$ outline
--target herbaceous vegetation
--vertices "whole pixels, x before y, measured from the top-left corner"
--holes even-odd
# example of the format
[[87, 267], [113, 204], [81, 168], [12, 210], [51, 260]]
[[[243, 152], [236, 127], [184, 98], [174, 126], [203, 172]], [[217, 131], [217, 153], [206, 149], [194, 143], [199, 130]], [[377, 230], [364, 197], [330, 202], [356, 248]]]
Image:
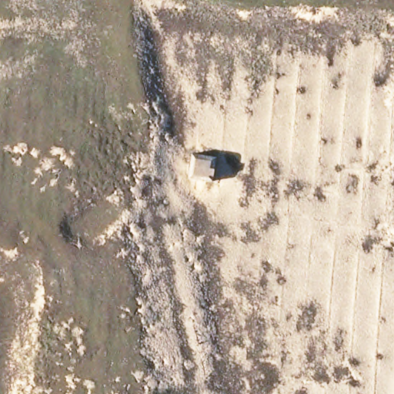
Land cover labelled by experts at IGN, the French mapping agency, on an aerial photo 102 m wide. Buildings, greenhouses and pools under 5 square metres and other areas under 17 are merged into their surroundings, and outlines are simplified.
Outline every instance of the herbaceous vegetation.
[[[62, 40], [45, 34], [42, 42], [34, 43], [29, 43], [26, 38], [6, 35], [0, 45], [0, 62], [8, 58], [11, 58], [11, 62], [17, 62], [34, 55], [37, 68], [37, 74], [23, 75], [22, 78], [3, 78], [0, 83], [0, 246], [17, 249], [17, 252], [22, 254], [35, 255], [38, 260], [42, 265], [43, 275], [49, 275], [51, 279], [57, 280], [58, 297], [62, 300], [60, 305], [65, 305], [63, 308], [66, 316], [83, 331], [85, 352], [74, 354], [74, 377], [91, 380], [94, 383], [94, 394], [139, 394], [145, 391], [145, 386], [137, 382], [134, 372], [145, 369], [140, 356], [145, 340], [137, 339], [139, 331], [129, 326], [128, 317], [120, 319], [120, 306], [129, 305], [129, 299], [134, 291], [126, 272], [125, 260], [123, 257], [117, 257], [117, 252], [123, 249], [123, 240], [109, 239], [103, 245], [97, 245], [92, 243], [92, 240], [119, 219], [123, 211], [129, 211], [134, 206], [131, 188], [135, 185], [135, 174], [131, 154], [146, 154], [151, 143], [149, 123], [146, 123], [140, 139], [135, 139], [131, 120], [115, 120], [108, 112], [108, 106], [115, 106], [119, 112], [126, 112], [128, 103], [148, 103], [140, 83], [139, 63], [129, 32], [129, 9], [134, 6], [134, 0], [85, 0], [85, 12], [78, 17], [86, 18], [88, 22], [98, 26], [100, 31], [97, 32], [97, 37], [102, 42], [102, 45], [91, 42], [91, 45], [83, 46], [82, 55], [86, 58], [86, 66], [78, 66], [74, 55], [66, 54], [65, 46], [72, 42], [66, 32]], [[52, 165], [58, 171], [54, 172], [52, 179], [57, 180], [57, 185], [42, 192], [40, 188], [43, 183], [31, 183], [35, 168], [38, 168], [34, 157], [25, 154], [22, 165], [15, 166], [12, 163], [14, 152], [5, 151], [5, 145], [15, 146], [18, 143], [25, 143], [28, 148], [37, 149], [45, 159], [52, 148], [62, 148], [65, 152], [75, 151], [72, 166], [66, 166], [60, 159], [55, 160]]]
[[17, 329], [15, 319], [22, 316], [25, 311], [25, 305], [14, 305], [12, 292], [0, 283], [0, 394], [9, 394], [3, 385], [2, 376], [3, 371], [8, 368], [6, 362], [9, 362], [9, 349]]
[[0, 0], [0, 20], [15, 20], [11, 0]]
[[394, 0], [222, 0], [228, 2], [232, 8], [242, 11], [265, 6], [326, 6], [346, 8], [349, 12], [356, 9], [385, 9], [394, 17]]

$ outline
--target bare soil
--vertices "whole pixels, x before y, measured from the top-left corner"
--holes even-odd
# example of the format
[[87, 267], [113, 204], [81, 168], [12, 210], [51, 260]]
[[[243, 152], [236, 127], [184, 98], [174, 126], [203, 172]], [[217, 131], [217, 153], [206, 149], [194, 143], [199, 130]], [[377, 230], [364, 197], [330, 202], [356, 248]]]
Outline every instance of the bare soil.
[[246, 357], [251, 360], [251, 369], [248, 371], [237, 362], [212, 360], [212, 371], [205, 382], [206, 388], [215, 394], [271, 394], [274, 386], [279, 385], [279, 372], [274, 365], [268, 363], [269, 354], [262, 352], [268, 346], [266, 340], [255, 340], [254, 348], [249, 348], [246, 352]]
[[11, 62], [11, 58], [8, 58], [0, 62], [0, 83], [3, 78], [22, 78], [23, 75], [37, 74], [37, 68], [34, 55], [17, 62]]
[[131, 154], [135, 174], [135, 185], [131, 188], [134, 206], [129, 211], [123, 211], [119, 219], [92, 240], [92, 243], [97, 245], [103, 245], [109, 239], [123, 240], [123, 249], [117, 252], [117, 257], [123, 257], [125, 260], [126, 272], [134, 291], [129, 299], [129, 305], [120, 306], [120, 319], [128, 317], [129, 326], [139, 331], [137, 339], [145, 340], [140, 356], [145, 369], [134, 372], [137, 382], [145, 386], [145, 391], [139, 394], [197, 394], [194, 376], [197, 362], [192, 356], [192, 349], [189, 348], [188, 334], [182, 320], [183, 303], [175, 291], [174, 263], [166, 249], [163, 234], [163, 226], [175, 225], [175, 215], [166, 197], [162, 179], [155, 179], [157, 166], [154, 159], [155, 149], [159, 146], [160, 128], [159, 122], [151, 117], [148, 103], [128, 103], [126, 112], [119, 112], [115, 106], [108, 106], [108, 112], [115, 120], [131, 120], [135, 139], [140, 139], [146, 123], [149, 123], [151, 143], [146, 154]]
[[88, 22], [86, 18], [78, 17], [85, 12], [85, 0], [11, 0], [15, 20], [0, 20], [0, 45], [6, 35], [26, 38], [29, 43], [34, 43], [42, 42], [45, 34], [62, 40], [66, 32], [72, 42], [65, 46], [66, 54], [74, 55], [78, 66], [86, 66], [86, 58], [82, 55], [83, 46], [91, 45], [91, 42], [102, 45], [102, 42], [97, 37], [97, 32], [100, 31], [98, 26]]
[[43, 183], [40, 188], [42, 192], [57, 185], [57, 180], [52, 179], [54, 172], [58, 171], [52, 165], [55, 160], [60, 159], [66, 166], [72, 166], [75, 151], [65, 152], [62, 148], [52, 148], [45, 159], [37, 149], [28, 148], [25, 143], [18, 143], [15, 146], [5, 145], [5, 151], [14, 152], [12, 163], [15, 166], [22, 165], [25, 154], [34, 157], [38, 168], [35, 168], [31, 183]]
[[85, 352], [83, 331], [66, 316], [63, 308], [65, 305], [60, 305], [62, 300], [58, 297], [57, 280], [51, 279], [49, 275], [43, 275], [45, 305], [38, 322], [37, 340], [40, 348], [35, 356], [34, 382], [40, 388], [51, 389], [51, 394], [94, 394], [94, 383], [91, 380], [74, 377], [74, 354]]
[[29, 274], [34, 271], [32, 265], [38, 260], [35, 255], [22, 254], [17, 252], [17, 249], [0, 246], [0, 283], [12, 292], [20, 283], [29, 279]]

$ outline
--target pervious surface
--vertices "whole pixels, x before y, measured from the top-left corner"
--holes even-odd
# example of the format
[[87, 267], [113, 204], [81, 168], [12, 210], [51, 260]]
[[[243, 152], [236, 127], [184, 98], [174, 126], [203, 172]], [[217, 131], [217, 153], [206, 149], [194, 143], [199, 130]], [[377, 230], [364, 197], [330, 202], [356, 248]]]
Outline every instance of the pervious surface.
[[12, 292], [14, 305], [25, 305], [25, 311], [22, 316], [15, 319], [17, 329], [9, 349], [9, 362], [6, 362], [8, 368], [3, 371], [2, 376], [3, 385], [9, 394], [51, 394], [51, 389], [40, 388], [34, 382], [35, 356], [40, 348], [37, 340], [38, 322], [45, 305], [43, 275], [42, 265], [38, 260], [32, 265], [34, 271], [29, 274], [29, 279], [20, 283]]
[[[139, 63], [140, 83], [148, 103], [151, 117], [159, 122], [160, 128], [159, 146], [155, 149], [154, 159], [157, 166], [155, 179], [162, 179], [166, 197], [175, 215], [175, 225], [163, 226], [163, 234], [166, 249], [174, 263], [175, 291], [183, 303], [182, 320], [188, 334], [189, 348], [192, 349], [192, 356], [197, 362], [194, 376], [197, 394], [215, 394], [206, 388], [205, 382], [212, 371], [212, 360], [237, 362], [248, 371], [251, 369], [251, 360], [246, 357], [246, 352], [249, 348], [254, 348], [255, 340], [266, 340], [268, 346], [262, 352], [269, 354], [268, 363], [274, 365], [279, 372], [279, 385], [274, 386], [271, 394], [394, 394], [394, 17], [385, 9], [356, 9], [349, 12], [346, 8], [326, 6], [265, 6], [242, 11], [232, 8], [228, 2], [222, 0], [134, 0], [134, 6], [129, 9], [129, 32]], [[214, 169], [212, 179], [194, 174], [194, 155], [197, 151], [209, 152], [211, 168]]]

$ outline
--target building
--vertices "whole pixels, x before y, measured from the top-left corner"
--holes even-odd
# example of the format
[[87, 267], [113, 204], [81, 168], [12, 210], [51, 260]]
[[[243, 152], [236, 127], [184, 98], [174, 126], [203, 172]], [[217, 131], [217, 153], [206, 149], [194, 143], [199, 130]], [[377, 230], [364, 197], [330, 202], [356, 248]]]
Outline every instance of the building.
[[212, 179], [214, 169], [211, 168], [209, 152], [197, 151], [194, 155], [194, 174]]

